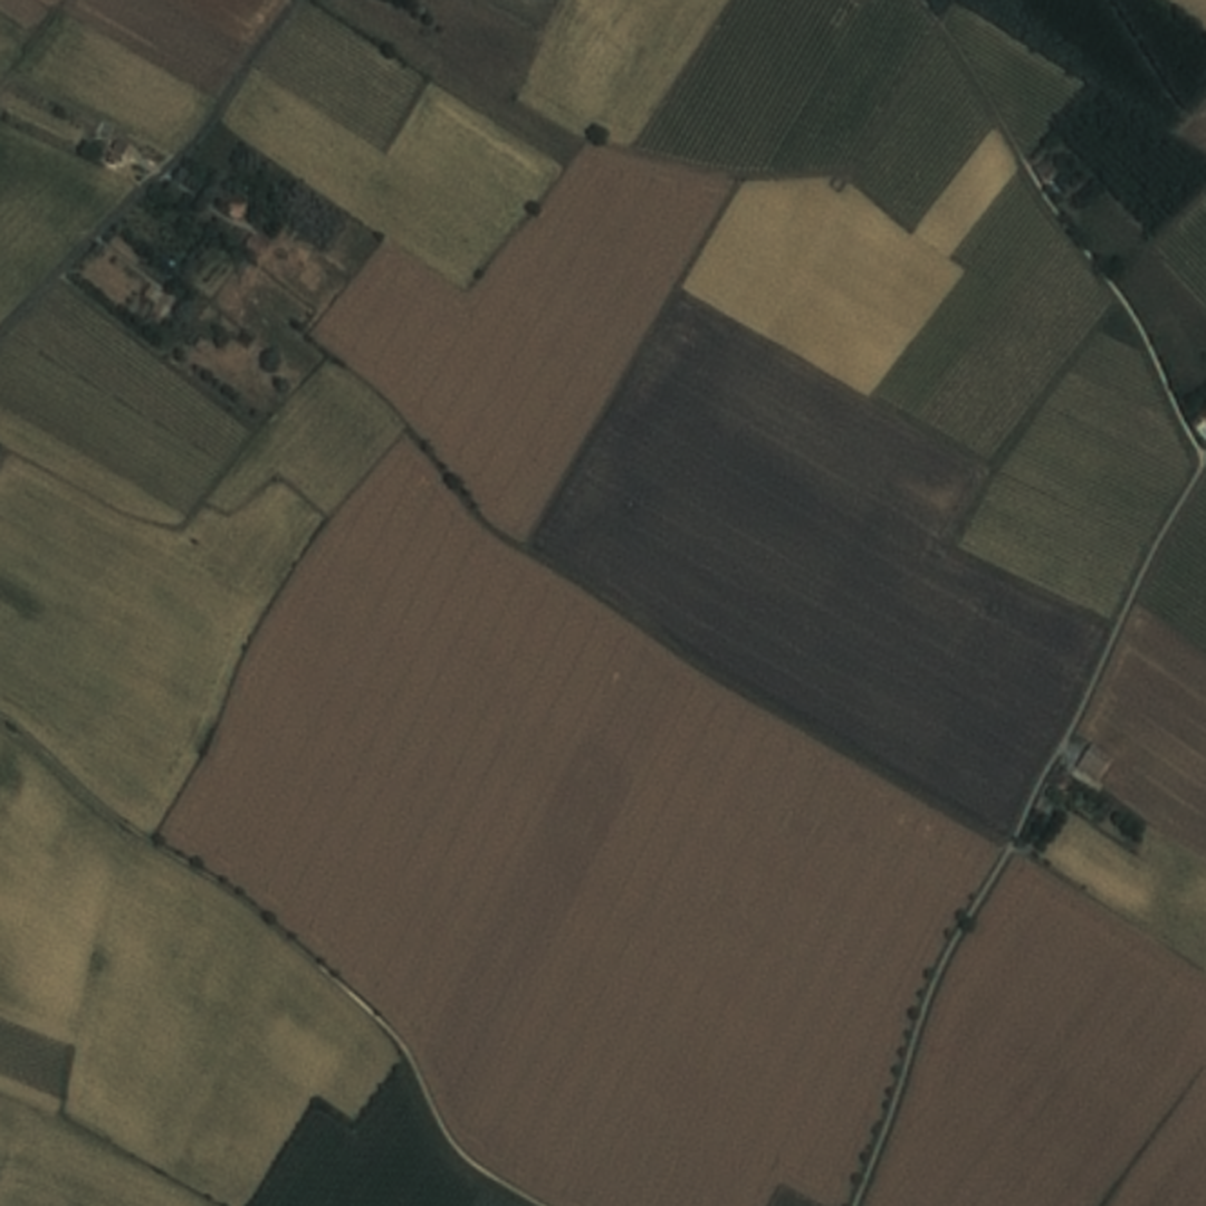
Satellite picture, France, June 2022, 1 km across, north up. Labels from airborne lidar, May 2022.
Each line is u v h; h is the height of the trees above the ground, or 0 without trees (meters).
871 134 0
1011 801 0
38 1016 0
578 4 0
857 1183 8
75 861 0
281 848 0
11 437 0
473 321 0
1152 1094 0
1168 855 0
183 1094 0
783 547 0
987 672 0
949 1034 0
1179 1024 0
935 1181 0
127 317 8
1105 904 0
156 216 6
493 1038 0
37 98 0
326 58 0
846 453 0
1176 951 0
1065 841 0
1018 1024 0
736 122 0
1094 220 0
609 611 0
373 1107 7
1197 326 0
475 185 0
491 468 0
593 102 0
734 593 0
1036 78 0
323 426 0
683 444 0
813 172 0
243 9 0
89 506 0
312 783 0
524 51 0
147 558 0
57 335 0
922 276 0
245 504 0
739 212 0
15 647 0
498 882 0
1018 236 0
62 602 0
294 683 0
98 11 0
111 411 0
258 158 11
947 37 0
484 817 0
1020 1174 0
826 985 0
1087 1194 0
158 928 0
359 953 0
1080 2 21
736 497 0
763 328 0
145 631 0
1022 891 0
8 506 0
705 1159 0
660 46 0
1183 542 0
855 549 0
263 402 0
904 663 0
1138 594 0
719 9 0
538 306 0
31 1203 0
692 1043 0
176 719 0
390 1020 0
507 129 0
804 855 0
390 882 0
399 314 0
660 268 0
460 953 0
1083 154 21
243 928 0
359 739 0
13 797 0
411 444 0
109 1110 0
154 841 8
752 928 0
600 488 0
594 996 0
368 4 0
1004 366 0
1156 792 0
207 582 0
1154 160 23
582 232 0
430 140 0
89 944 0
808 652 0
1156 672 0
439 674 0
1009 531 0
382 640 0
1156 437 0
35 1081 0
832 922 0
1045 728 0
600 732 0
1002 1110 0
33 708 0
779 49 0
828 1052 0
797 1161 0
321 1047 0
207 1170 0
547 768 0
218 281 0
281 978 0
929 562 0
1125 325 0
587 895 0
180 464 0
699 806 0
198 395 0
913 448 0
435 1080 0
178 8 0
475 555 0
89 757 0
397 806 0
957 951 0
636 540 0
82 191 0
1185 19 19
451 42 0
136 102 0
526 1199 0
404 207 0
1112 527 0
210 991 0
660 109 0
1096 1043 0
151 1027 0
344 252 0
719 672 0
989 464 0
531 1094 0
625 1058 0
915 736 0
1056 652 0
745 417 0
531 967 0
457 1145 0
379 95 0
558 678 0
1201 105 19
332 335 0
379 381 0
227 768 0
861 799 0
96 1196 0
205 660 0
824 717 0
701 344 0
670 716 0
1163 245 0
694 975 0
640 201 0
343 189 0
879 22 0
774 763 0
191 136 0
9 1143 0
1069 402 0
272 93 0
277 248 0
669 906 0
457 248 0
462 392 0
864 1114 0
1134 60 18
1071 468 0
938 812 0
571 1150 0
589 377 0
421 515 0
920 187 0
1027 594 0
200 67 0
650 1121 0
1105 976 0
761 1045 0
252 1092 0
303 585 0
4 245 0
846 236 0
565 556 0
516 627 0
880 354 0
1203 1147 0
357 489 0
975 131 0
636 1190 0
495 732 0
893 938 0
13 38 0
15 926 0
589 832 0
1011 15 14
